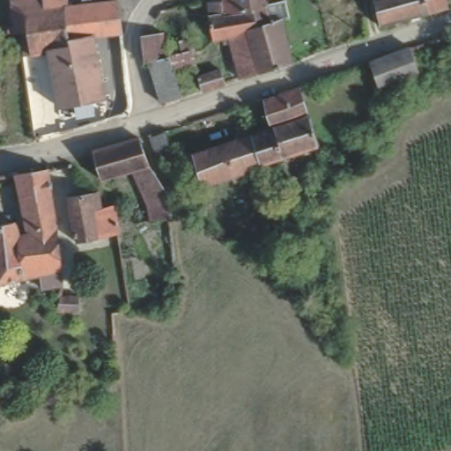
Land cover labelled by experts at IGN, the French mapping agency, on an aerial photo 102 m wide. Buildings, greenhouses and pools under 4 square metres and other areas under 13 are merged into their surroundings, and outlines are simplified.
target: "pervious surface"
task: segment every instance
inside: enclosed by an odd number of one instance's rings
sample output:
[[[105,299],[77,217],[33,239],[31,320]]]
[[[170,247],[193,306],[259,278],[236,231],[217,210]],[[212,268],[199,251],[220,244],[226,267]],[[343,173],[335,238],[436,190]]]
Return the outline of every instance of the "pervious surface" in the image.
[[[395,28],[407,26],[410,21],[402,18],[381,23],[377,19],[379,11],[373,7],[373,0],[354,0],[356,7],[366,14],[363,21],[363,30],[366,33],[363,37],[344,44],[345,48],[349,49],[381,37],[393,37]]]
[[[30,287],[41,289],[39,278],[25,280],[19,285],[11,282],[0,285],[0,305],[4,308],[14,308],[26,301],[26,292],[30,291]]]

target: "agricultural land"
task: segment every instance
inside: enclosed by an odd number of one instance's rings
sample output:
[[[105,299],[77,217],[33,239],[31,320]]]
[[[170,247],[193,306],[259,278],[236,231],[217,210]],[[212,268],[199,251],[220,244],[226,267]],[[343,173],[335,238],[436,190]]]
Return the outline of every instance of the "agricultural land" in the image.
[[[206,234],[196,236],[192,231],[181,231],[180,222],[176,220],[169,224],[171,257],[176,268],[183,277],[180,292],[183,301],[178,321],[174,322],[173,326],[167,326],[166,321],[153,321],[146,317],[125,315],[120,310],[111,315],[115,344],[115,359],[109,361],[111,366],[116,366],[120,372],[120,377],[107,386],[107,391],[116,393],[120,400],[113,418],[99,421],[93,419],[90,410],[76,409],[74,414],[65,412],[62,418],[53,423],[49,421],[48,409],[42,407],[33,410],[26,418],[4,419],[0,423],[0,451],[368,451],[361,425],[363,407],[359,389],[359,368],[356,366],[352,370],[347,370],[347,366],[336,365],[333,359],[322,356],[319,347],[308,340],[301,322],[294,317],[291,303],[287,299],[277,298],[268,285],[254,278],[254,262],[241,264],[238,257],[231,252],[233,241],[218,241]]]

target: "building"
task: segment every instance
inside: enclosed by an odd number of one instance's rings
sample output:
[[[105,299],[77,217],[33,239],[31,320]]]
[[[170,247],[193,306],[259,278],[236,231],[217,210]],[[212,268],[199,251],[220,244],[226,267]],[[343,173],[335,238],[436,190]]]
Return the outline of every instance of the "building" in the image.
[[[414,48],[402,49],[398,53],[377,58],[370,65],[377,86],[384,86],[384,83],[393,76],[407,74],[418,72],[416,55]]]
[[[291,48],[287,44],[284,28],[287,0],[220,0],[208,4],[211,39],[229,44],[238,79],[271,72],[278,67],[291,70],[296,63],[292,62]]]
[[[194,153],[192,160],[185,164],[185,171],[194,171],[199,180],[215,185],[236,181],[245,174],[250,166],[273,166],[315,152],[319,148],[317,141],[314,130],[308,125],[307,102],[301,100],[303,93],[301,88],[298,88],[266,99],[262,104],[268,123],[264,129],[257,130],[255,136],[245,137],[241,143],[231,141],[224,146],[215,146]]]
[[[166,104],[169,100],[181,97],[173,65],[167,58],[159,58],[164,33],[144,35],[141,37],[141,51],[144,62],[148,63],[152,72],[153,85],[157,90],[155,100],[159,104]]]
[[[451,9],[451,0],[373,0],[373,7],[379,11],[377,19],[381,23],[402,18],[410,21],[419,18],[421,23],[425,23],[428,16]]]
[[[122,14],[123,9],[116,0],[11,0],[12,9],[18,9],[25,16],[28,51],[35,56],[41,56],[41,53],[48,55],[56,95],[65,102],[88,106],[95,100],[106,97],[106,86],[102,86],[97,44],[88,37],[88,33],[95,33],[99,37],[116,37],[118,33],[123,32],[122,23],[116,21],[116,18]]]
[[[60,314],[78,315],[83,314],[83,303],[78,299],[78,303],[58,305]]]
[[[63,280],[56,277],[56,271],[60,270],[62,264],[58,245],[62,238],[53,236],[56,225],[70,236],[78,238],[78,250],[86,252],[93,248],[107,247],[113,236],[116,238],[118,234],[122,234],[118,213],[113,206],[102,206],[102,196],[109,190],[120,190],[125,194],[127,190],[132,189],[127,180],[129,176],[136,178],[137,187],[141,190],[148,211],[159,208],[159,192],[164,185],[150,166],[146,153],[139,153],[137,141],[123,150],[93,153],[93,164],[97,166],[95,171],[99,180],[97,189],[93,194],[81,197],[60,196],[53,203],[51,178],[62,178],[63,171],[44,169],[37,173],[16,174],[14,185],[18,192],[19,210],[23,215],[26,233],[21,236],[16,224],[0,227],[0,285],[11,282],[19,285],[25,280],[39,278],[41,289],[63,289]]]

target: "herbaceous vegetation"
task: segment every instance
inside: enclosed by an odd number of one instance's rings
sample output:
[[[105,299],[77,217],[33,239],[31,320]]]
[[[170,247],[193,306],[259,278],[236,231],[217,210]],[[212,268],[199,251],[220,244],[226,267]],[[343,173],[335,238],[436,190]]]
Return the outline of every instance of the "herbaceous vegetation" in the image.
[[[192,160],[194,153],[215,146],[224,146],[231,141],[241,143],[245,137],[255,136],[257,130],[264,129],[268,123],[262,104],[257,104],[252,111],[252,125],[248,129],[241,127],[241,116],[227,118],[225,113],[190,125],[187,120],[181,120],[173,125],[162,125],[166,129],[164,134],[167,137],[167,144],[160,150],[153,150],[150,137],[143,141],[143,136],[139,132],[134,134],[137,141],[139,153],[146,153],[150,166],[164,185],[159,192],[159,208],[148,211],[141,190],[137,187],[136,178],[129,176],[127,180],[132,189],[127,190],[125,194],[120,190],[109,190],[102,196],[102,206],[113,206],[118,213],[122,234],[118,234],[116,238],[113,236],[107,247],[93,248],[86,252],[78,250],[70,257],[78,271],[83,271],[83,268],[93,264],[104,264],[109,270],[107,289],[99,298],[78,299],[83,303],[83,314],[78,315],[88,329],[81,335],[72,336],[70,328],[62,324],[51,324],[48,315],[39,314],[26,301],[14,308],[4,308],[0,305],[0,322],[5,319],[25,322],[30,329],[30,338],[44,338],[49,347],[53,347],[53,354],[62,356],[65,368],[69,372],[86,370],[92,373],[95,379],[102,379],[107,368],[111,366],[109,361],[115,359],[115,344],[111,315],[120,310],[125,315],[146,317],[153,308],[164,307],[167,282],[164,278],[176,268],[171,257],[169,224],[176,220],[180,222],[181,218],[189,218],[189,210],[181,204],[180,192],[176,190],[176,183],[185,171],[185,164]]]
[[[284,28],[287,44],[291,48],[292,62],[296,63],[301,62],[303,56],[312,55],[319,49],[336,48],[344,44],[363,37],[366,33],[363,30],[363,21],[366,14],[356,7],[354,0],[287,0]]]
[[[9,30],[12,39],[18,42],[19,51],[25,55],[28,51],[25,16],[18,9],[12,9],[11,0],[0,0],[0,32]]]
[[[23,65],[16,63],[12,65],[11,70],[0,67],[0,146],[26,143],[28,139],[32,139],[32,116],[26,95]]]
[[[419,137],[432,134],[451,123],[451,92],[433,95],[435,102],[432,107],[426,113],[412,116],[409,122],[403,125],[402,132],[396,137],[395,157],[382,160],[381,164],[375,166],[372,174],[356,176],[354,180],[338,183],[344,189],[344,194],[335,201],[338,210],[333,225],[329,227],[329,233],[335,236],[336,257],[342,264],[347,261],[345,240],[349,240],[349,231],[342,225],[342,215],[351,215],[366,201],[384,196],[393,187],[403,187],[409,178],[407,146]]]
[[[391,102],[395,92],[403,90],[407,85],[407,74],[393,76],[384,83],[384,86],[377,86],[370,65],[363,65],[359,70],[361,81],[358,85],[338,88],[326,104],[322,99],[310,99],[307,93],[303,93],[301,100],[307,102],[308,125],[314,130],[317,141],[331,141],[335,137],[344,136],[347,129],[354,129],[361,123],[370,122],[370,109],[386,106]]]
[[[238,79],[229,44],[211,39],[208,4],[220,0],[166,0],[153,5],[150,9],[150,18],[141,26],[144,35],[164,33],[159,58],[167,58],[173,65],[181,97],[196,92],[201,83],[210,79]]]
[[[255,187],[245,174],[236,181],[233,190],[229,190],[227,197],[217,206],[218,224],[224,229],[218,241],[233,241],[231,252],[238,257],[241,264],[254,262],[257,259],[257,250],[261,248],[259,218],[262,217],[262,213],[259,208],[268,201],[264,194],[261,194],[261,189]]]

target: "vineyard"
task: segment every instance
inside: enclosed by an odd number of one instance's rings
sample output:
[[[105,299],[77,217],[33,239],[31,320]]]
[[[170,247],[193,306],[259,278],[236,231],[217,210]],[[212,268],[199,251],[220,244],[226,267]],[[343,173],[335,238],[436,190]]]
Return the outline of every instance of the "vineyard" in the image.
[[[432,134],[419,137],[407,146],[409,178],[403,187],[393,187],[384,196],[366,201],[351,215],[342,215],[342,225],[349,231],[349,240],[345,240],[347,261],[342,264],[344,294],[338,298],[338,303],[345,305],[347,315],[358,317],[361,324],[358,329],[356,366],[359,368],[359,389],[363,407],[361,425],[368,451],[451,451],[451,123]]]

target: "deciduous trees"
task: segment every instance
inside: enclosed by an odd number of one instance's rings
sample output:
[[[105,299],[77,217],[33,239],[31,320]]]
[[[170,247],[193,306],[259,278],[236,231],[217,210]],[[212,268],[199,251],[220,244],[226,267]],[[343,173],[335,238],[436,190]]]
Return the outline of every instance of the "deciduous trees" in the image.
[[[83,271],[78,271],[69,282],[63,280],[63,289],[41,289],[30,287],[30,291],[26,292],[26,301],[39,314],[48,315],[51,324],[62,324],[70,328],[72,336],[81,335],[88,329],[78,315],[60,314],[58,305],[78,303],[78,299],[99,298],[107,289],[109,270],[104,264],[93,264],[83,268]]]
[[[241,116],[241,127],[248,129],[252,125],[252,111],[248,107],[233,107],[225,113],[227,118]]]
[[[176,183],[176,190],[180,192],[181,204],[189,210],[189,218],[181,218],[180,222],[181,231],[192,231],[196,236],[206,234],[218,241],[224,229],[218,224],[217,206],[227,197],[229,190],[233,190],[236,181],[215,185],[199,180],[194,171],[185,171]]]
[[[120,400],[116,393],[107,391],[107,386],[120,377],[120,372],[116,366],[111,366],[107,368],[102,379],[95,379],[92,373],[86,370],[69,372],[65,368],[62,356],[53,354],[53,347],[49,347],[44,338],[30,338],[30,329],[25,322],[5,319],[0,322],[0,423],[4,419],[26,418],[33,410],[42,407],[48,409],[49,421],[53,423],[62,418],[65,412],[74,414],[76,409],[90,410],[93,419],[99,421],[113,418]]]
[[[0,32],[0,67],[11,70],[12,65],[16,63],[23,65],[25,55],[19,51],[18,42],[12,39],[9,30]]]
[[[164,278],[167,282],[164,307],[153,308],[146,317],[153,321],[166,321],[167,326],[173,326],[174,322],[178,321],[183,301],[180,292],[183,277],[176,268]]]
[[[307,93],[310,99],[322,99],[326,104],[338,88],[358,85],[361,81],[359,70],[329,76],[328,79],[312,86],[312,90]]]
[[[315,152],[273,166],[250,166],[245,174],[255,187],[261,189],[261,194],[264,194],[268,201],[259,208],[262,213],[262,217],[259,218],[261,248],[257,250],[257,259],[254,262],[254,278],[268,285],[277,298],[287,299],[291,303],[294,317],[301,322],[308,340],[319,347],[322,356],[333,359],[336,365],[347,366],[347,370],[352,370],[356,366],[358,329],[361,324],[358,317],[347,315],[345,305],[338,303],[338,298],[344,294],[342,264],[336,257],[335,236],[329,233],[329,227],[333,225],[338,210],[335,201],[344,194],[344,189],[338,183],[354,180],[356,176],[372,174],[375,166],[381,164],[382,160],[395,157],[396,137],[402,132],[403,125],[409,122],[412,116],[426,113],[432,107],[435,102],[433,95],[451,92],[451,48],[442,49],[439,55],[430,49],[416,55],[418,72],[407,74],[407,85],[403,90],[395,92],[391,102],[386,106],[370,109],[370,122],[361,123],[354,129],[347,129],[344,136],[335,137],[331,141],[317,141],[319,148]]]

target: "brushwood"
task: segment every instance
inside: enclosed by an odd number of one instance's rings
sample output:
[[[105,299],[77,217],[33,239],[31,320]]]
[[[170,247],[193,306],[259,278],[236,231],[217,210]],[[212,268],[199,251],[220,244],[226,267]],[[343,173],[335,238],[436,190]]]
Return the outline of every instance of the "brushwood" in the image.
[[[79,160],[74,160],[72,171],[79,187],[92,185],[97,189],[99,180],[95,171],[92,174],[88,173],[85,167],[79,164]]]

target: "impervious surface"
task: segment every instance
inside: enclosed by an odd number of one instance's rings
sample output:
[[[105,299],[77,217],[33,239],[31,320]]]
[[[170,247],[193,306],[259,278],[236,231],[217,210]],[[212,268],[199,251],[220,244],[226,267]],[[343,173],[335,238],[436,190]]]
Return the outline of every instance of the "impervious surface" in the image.
[[[56,225],[53,236],[62,238],[58,245],[62,264],[60,270],[56,271],[56,277],[63,280],[69,282],[78,271],[70,257],[78,250],[78,238],[70,236]]]
[[[167,144],[167,137],[164,134],[166,129],[162,125],[173,125],[181,120],[187,120],[190,125],[225,113],[233,107],[248,107],[252,111],[257,104],[262,104],[266,99],[298,88],[301,88],[303,93],[307,93],[312,90],[312,86],[328,79],[329,76],[359,70],[363,65],[370,65],[377,58],[398,53],[402,49],[414,48],[416,55],[430,49],[439,55],[442,49],[451,48],[451,9],[428,16],[425,23],[421,23],[419,18],[410,21],[407,26],[395,28],[393,37],[381,37],[349,49],[345,48],[344,44],[336,48],[319,49],[312,55],[303,56],[301,62],[296,63],[291,70],[278,67],[271,72],[238,79],[210,79],[201,83],[196,92],[181,97],[169,100],[166,104],[159,104],[155,100],[157,90],[153,85],[152,72],[148,63],[144,62],[141,51],[141,37],[144,35],[141,26],[150,18],[150,9],[153,5],[166,0],[116,0],[123,9],[122,14],[116,18],[116,21],[122,23],[123,32],[118,33],[116,37],[99,37],[95,33],[88,33],[88,37],[97,44],[102,86],[106,86],[106,97],[95,100],[88,106],[65,102],[56,95],[48,55],[41,53],[41,56],[35,56],[28,51],[25,55],[23,65],[26,95],[32,116],[32,139],[28,139],[26,143],[0,146],[0,227],[16,224],[21,236],[26,233],[23,215],[19,210],[18,192],[14,185],[16,174],[37,173],[44,169],[63,171],[62,178],[51,178],[53,203],[60,196],[81,197],[93,194],[97,189],[92,185],[79,187],[72,171],[74,160],[79,160],[79,164],[85,167],[88,173],[92,174],[95,171],[97,166],[93,164],[93,153],[123,150],[137,141],[134,134],[139,132],[143,136],[143,141],[150,137],[153,150],[160,150]]]

